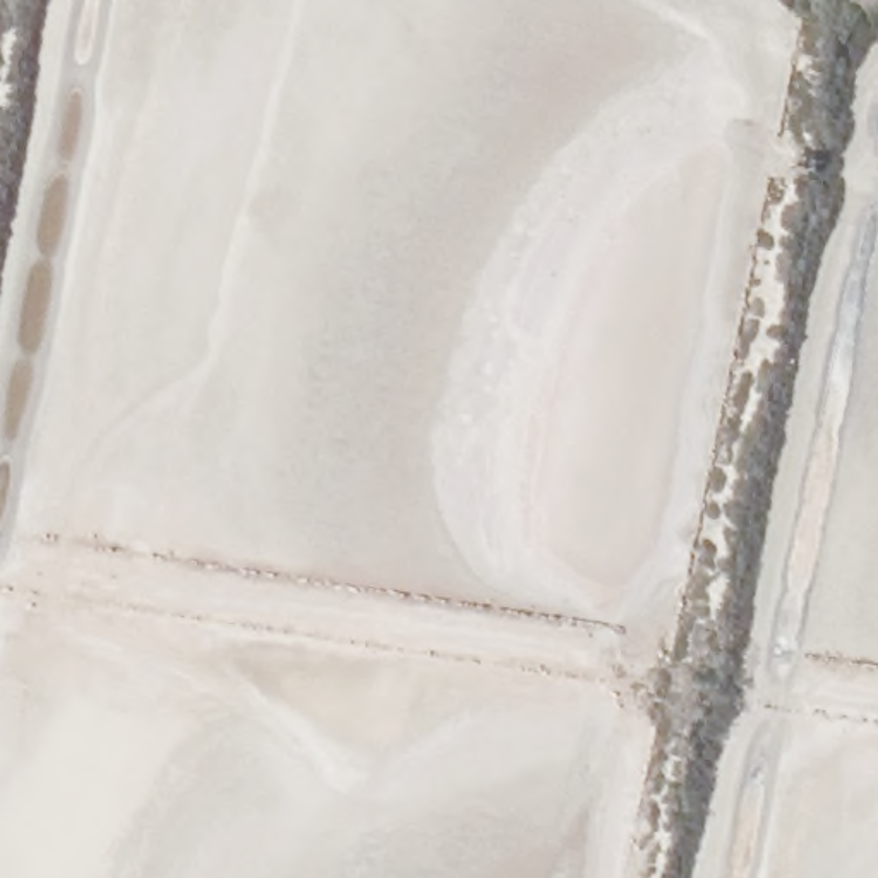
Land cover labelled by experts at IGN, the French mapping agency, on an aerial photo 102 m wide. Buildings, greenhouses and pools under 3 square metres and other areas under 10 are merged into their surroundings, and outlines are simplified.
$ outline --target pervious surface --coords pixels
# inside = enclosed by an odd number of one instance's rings
[[[727,394],[727,364],[734,357],[744,305],[748,247],[758,240],[758,209],[768,178],[799,178],[803,158],[792,144],[792,130],[785,120],[785,96],[789,72],[809,69],[813,58],[803,51],[799,41],[799,14],[792,14],[782,0],[48,0],[38,58],[34,123],[0,278],[0,878],[641,878],[645,854],[638,847],[638,837],[648,827],[648,813],[641,809],[641,789],[655,741],[648,703],[655,693],[659,655],[672,655],[679,631],[683,590],[689,580],[686,569],[693,549],[693,521],[700,511],[700,490],[710,473],[720,401]],[[69,93],[82,96],[82,130],[72,158],[58,154],[58,103]],[[69,209],[55,250],[48,319],[41,346],[34,353],[27,408],[14,439],[3,436],[3,401],[10,367],[21,350],[21,298],[27,271],[38,261],[38,216],[45,185],[51,178],[69,182]]]
[[[806,343],[799,350],[799,374],[792,408],[785,418],[785,446],[772,487],[768,532],[755,586],[751,641],[744,652],[744,676],[751,683],[744,686],[744,710],[724,737],[693,878],[878,878],[878,41],[857,69],[854,137],[844,154],[844,209],[827,240],[820,274],[809,295]]]

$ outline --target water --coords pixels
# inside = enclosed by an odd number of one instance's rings
[[[82,130],[82,96],[69,93],[58,103],[58,154],[72,158]]]
[[[38,261],[27,271],[21,298],[21,350],[10,367],[3,401],[3,436],[14,439],[27,408],[34,353],[41,346],[48,319],[55,250],[69,209],[69,182],[51,178],[45,185],[38,216]]]

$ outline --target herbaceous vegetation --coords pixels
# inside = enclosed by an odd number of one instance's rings
[[[17,31],[3,31],[0,41],[0,106],[10,103]]]
[[[744,305],[734,357],[727,364],[727,394],[720,401],[710,473],[700,490],[700,511],[693,521],[693,549],[686,569],[689,580],[683,590],[679,631],[672,655],[659,655],[655,693],[648,703],[655,741],[641,789],[641,809],[648,813],[648,827],[638,837],[638,847],[645,854],[641,878],[693,878],[724,737],[744,710],[744,686],[751,683],[744,676],[744,652],[751,641],[755,586],[768,532],[772,487],[785,446],[785,418],[792,408],[799,374],[799,350],[806,343],[809,295],[820,274],[827,240],[844,209],[844,154],[854,137],[857,69],[878,41],[878,0],[782,0],[792,14],[799,14],[799,41],[803,51],[813,58],[809,69],[789,72],[785,96],[785,120],[792,130],[792,144],[803,158],[799,178],[768,178],[758,209],[758,240],[748,247]]]

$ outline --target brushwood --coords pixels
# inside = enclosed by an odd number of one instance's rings
[[[0,0],[0,41],[3,31],[17,31],[10,103],[0,106],[0,278],[34,123],[38,58],[48,0]]]

